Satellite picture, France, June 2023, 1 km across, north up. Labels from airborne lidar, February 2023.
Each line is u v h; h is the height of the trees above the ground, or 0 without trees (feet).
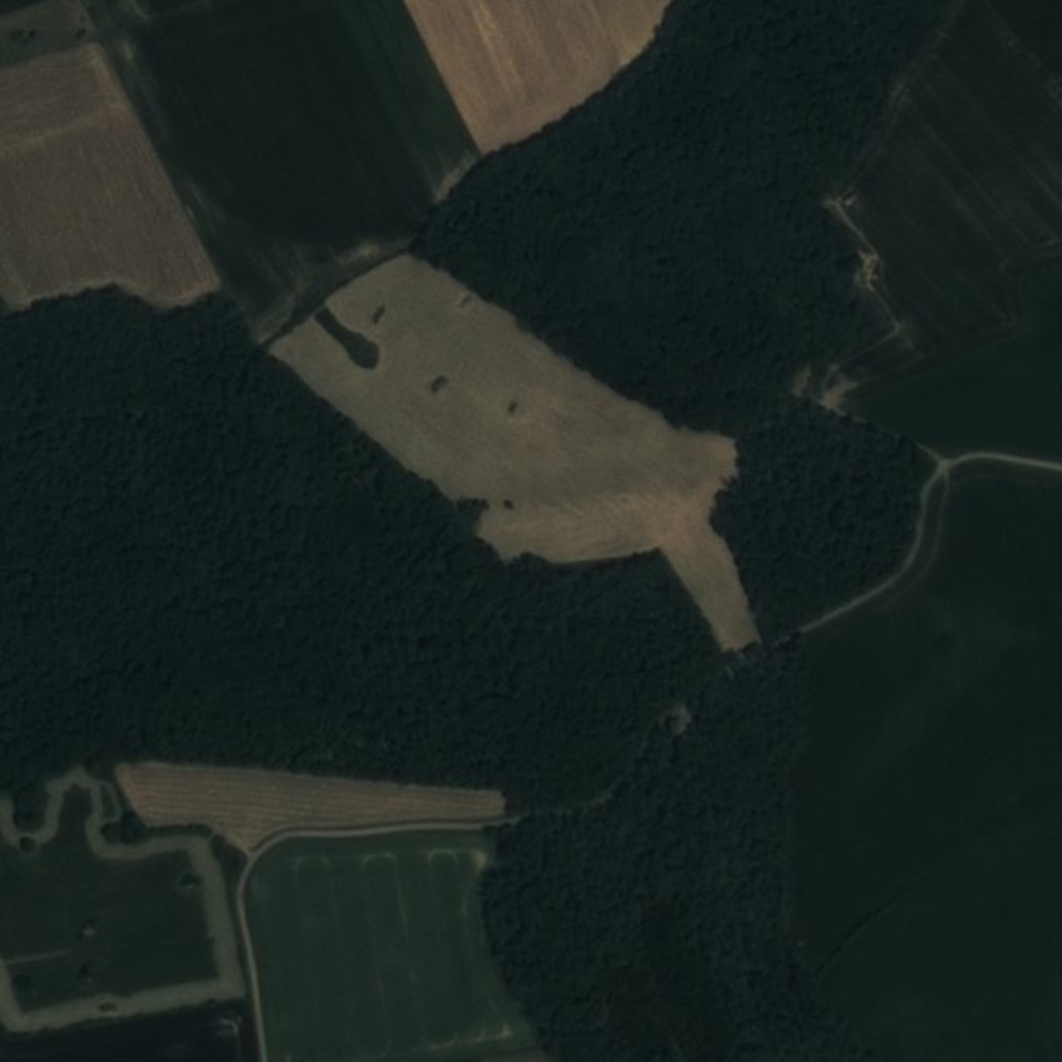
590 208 80
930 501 0
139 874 0
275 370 62
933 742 0
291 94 0
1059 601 0
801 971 115
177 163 0
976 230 0
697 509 0
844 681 0
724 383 82
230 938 0
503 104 0
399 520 63
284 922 0
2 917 0
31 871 0
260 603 72
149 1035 0
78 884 0
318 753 49
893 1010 0
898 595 0
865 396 0
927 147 0
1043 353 0
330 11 0
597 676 67
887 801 0
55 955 0
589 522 0
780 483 92
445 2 0
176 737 60
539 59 0
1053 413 0
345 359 0
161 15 0
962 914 0
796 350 70
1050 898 0
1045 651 0
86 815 0
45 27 0
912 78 0
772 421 73
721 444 0
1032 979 0
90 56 0
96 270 0
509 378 0
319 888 0
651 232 79
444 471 0
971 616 0
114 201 0
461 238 72
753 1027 84
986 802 0
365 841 0
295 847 0
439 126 0
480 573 81
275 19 0
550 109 0
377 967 0
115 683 83
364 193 0
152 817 0
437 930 0
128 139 0
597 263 81
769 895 75
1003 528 0
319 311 0
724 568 0
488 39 0
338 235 0
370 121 0
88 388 70
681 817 76
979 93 0
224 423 57
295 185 0
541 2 0
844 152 63
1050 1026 0
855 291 70
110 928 0
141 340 77
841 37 76
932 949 0
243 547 70
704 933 72
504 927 78
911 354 0
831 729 0
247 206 0
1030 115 0
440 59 0
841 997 0
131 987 0
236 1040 0
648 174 83
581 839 77
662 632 92
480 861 0
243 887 0
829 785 0
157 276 0
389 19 0
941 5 63
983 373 0
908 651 0
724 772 75
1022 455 0
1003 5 0
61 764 46
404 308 0
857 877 0
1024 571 0
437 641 71
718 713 63
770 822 73
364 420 0
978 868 0
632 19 0
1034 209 0
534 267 75
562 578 54
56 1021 0
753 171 87
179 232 0
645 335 80
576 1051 74
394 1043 0
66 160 0
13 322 36
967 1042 0
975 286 0
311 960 0
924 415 0
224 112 0
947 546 0
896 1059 0
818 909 0
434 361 0
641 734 63
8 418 67
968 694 0
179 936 0
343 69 0
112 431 62
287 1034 0
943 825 0
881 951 0
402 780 59
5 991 0
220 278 0
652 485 0
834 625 0
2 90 0
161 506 57
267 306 0
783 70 71
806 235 79
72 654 63
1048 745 0
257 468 61
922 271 0
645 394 77
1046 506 0
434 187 0
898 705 0
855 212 0
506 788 47
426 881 0
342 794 0
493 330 0
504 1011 0
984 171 0
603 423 0
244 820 0
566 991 58
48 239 0
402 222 0
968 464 0
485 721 80
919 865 0
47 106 0
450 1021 0
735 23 72
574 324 72
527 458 0
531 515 0
